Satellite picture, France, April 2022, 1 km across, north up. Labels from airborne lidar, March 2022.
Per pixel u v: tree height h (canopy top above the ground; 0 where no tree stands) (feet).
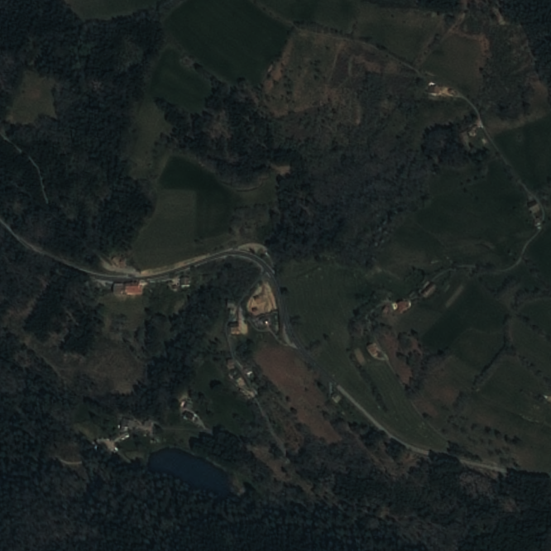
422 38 0
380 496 74
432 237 0
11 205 78
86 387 65
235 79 0
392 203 59
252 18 0
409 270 0
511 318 34
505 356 31
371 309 0
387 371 0
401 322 0
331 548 74
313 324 0
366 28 0
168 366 94
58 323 44
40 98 0
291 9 0
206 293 85
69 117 86
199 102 0
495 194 0
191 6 0
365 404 0
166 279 0
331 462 94
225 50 0
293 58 0
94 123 97
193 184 0
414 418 0
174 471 0
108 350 0
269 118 44
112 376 0
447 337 0
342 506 68
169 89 0
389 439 75
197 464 0
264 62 0
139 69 85
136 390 0
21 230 79
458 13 60
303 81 0
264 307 0
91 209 41
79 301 61
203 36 0
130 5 0
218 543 48
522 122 0
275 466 0
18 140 87
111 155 80
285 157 80
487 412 0
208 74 43
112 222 62
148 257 0
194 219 0
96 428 0
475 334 0
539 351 0
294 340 0
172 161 0
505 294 35
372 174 57
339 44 0
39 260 93
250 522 53
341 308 0
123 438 0
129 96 76
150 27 74
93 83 89
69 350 60
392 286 0
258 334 0
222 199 0
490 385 0
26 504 75
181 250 0
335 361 0
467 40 0
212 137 50
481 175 23
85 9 0
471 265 0
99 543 52
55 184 33
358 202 69
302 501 93
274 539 60
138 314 0
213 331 47
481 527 94
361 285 0
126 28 87
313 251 87
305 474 90
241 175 70
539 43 70
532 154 0
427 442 0
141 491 112
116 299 0
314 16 0
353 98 0
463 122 18
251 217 31
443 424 0
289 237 94
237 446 85
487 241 0
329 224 94
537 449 0
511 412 0
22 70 101
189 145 67
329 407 36
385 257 0
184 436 0
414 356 48
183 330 35
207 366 0
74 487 117
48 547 84
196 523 67
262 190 0
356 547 42
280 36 0
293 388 0
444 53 0
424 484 52
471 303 0
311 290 0
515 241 0
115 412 39
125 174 79
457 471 109
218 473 0
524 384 0
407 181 64
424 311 0
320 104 0
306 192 67
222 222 0
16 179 40
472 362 0
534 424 0
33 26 67
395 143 0
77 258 77
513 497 70
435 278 0
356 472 85
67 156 43
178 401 67
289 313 0
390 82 0
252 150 58
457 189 0
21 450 87
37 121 0
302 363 0
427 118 0
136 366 0
